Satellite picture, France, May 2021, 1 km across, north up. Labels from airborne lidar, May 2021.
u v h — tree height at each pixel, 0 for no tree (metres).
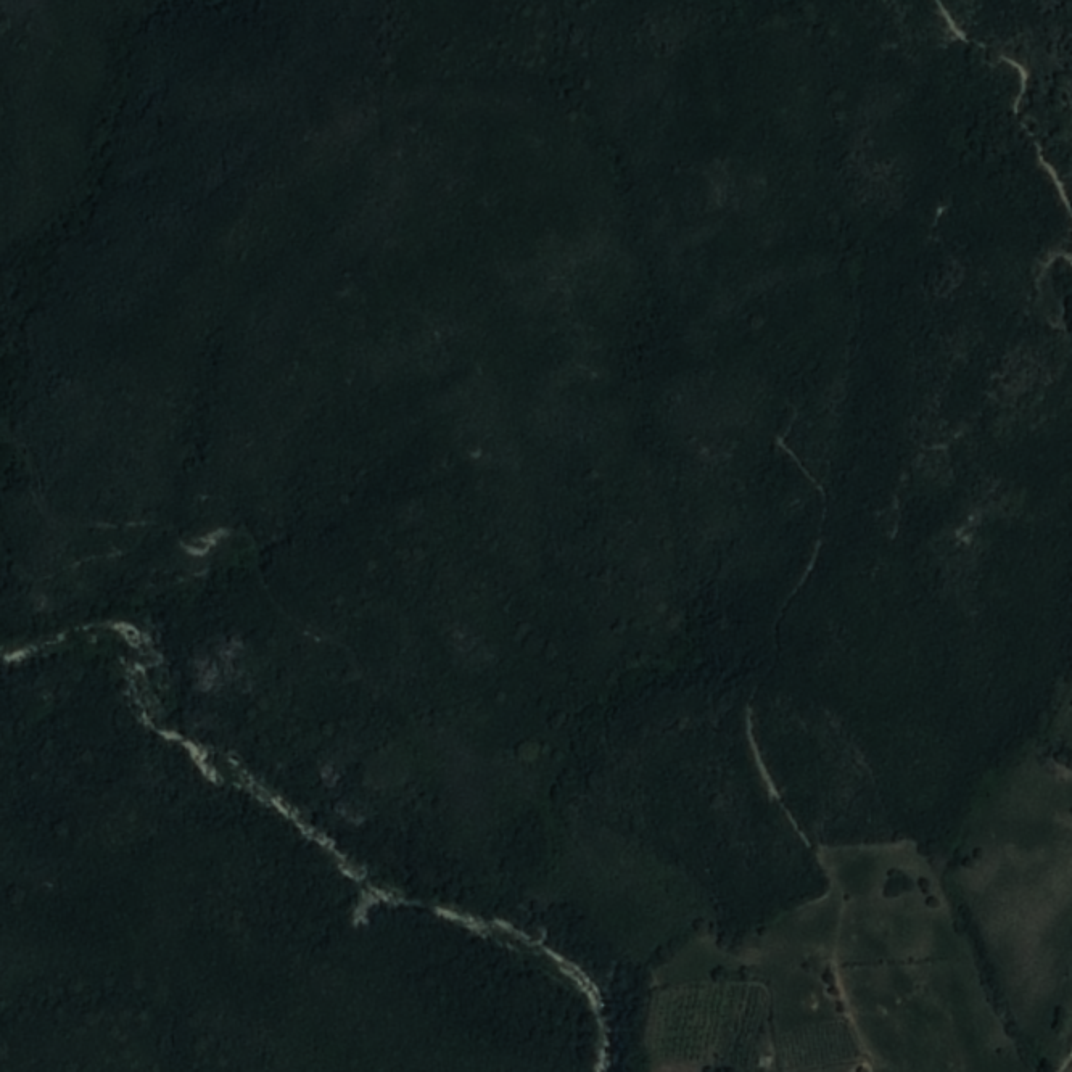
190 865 8
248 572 7
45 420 6
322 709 7
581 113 7
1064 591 10
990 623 6
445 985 9
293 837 16
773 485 10
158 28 9
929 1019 0
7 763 9
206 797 10
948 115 10
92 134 14
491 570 9
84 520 7
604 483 6
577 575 6
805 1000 0
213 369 10
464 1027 11
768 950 0
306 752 7
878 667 6
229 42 8
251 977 6
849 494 7
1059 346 11
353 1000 6
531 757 15
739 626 10
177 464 8
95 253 7
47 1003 11
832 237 7
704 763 6
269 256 7
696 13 9
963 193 5
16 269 16
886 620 6
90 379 6
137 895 7
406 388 6
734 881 6
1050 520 5
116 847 9
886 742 6
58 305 7
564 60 12
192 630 7
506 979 10
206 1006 6
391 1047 6
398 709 7
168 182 7
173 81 7
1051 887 0
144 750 11
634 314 9
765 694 6
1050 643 7
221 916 6
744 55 6
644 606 6
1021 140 12
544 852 9
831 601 5
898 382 7
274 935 12
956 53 7
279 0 6
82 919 9
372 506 6
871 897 0
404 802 9
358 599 6
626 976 8
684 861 7
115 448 5
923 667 7
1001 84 5
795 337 5
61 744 10
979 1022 0
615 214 5
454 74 7
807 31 9
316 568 5
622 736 8
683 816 6
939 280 7
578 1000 6
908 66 6
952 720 9
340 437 7
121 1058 7
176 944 5
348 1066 6
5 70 6
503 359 6
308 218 6
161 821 11
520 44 6
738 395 5
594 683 7
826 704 6
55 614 9
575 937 14
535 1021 13
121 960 7
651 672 8
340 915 14
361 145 5
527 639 13
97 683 8
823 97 6
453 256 6
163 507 9
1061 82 11
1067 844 0
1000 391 6
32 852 8
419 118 5
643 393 8
